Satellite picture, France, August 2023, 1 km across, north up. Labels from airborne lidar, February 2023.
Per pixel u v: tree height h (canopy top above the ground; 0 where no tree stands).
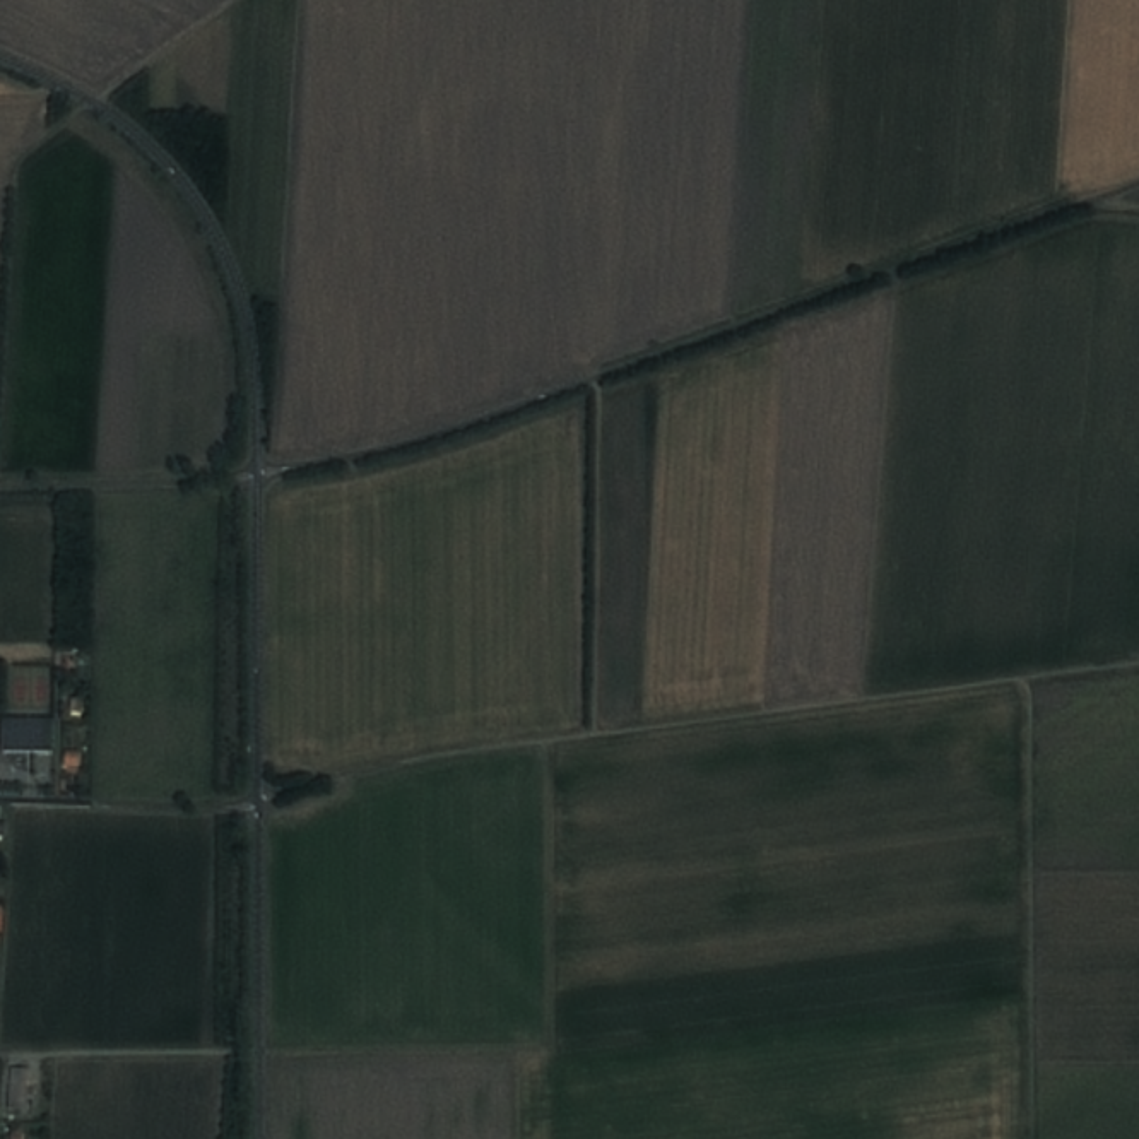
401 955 0
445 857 0
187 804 9
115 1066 0
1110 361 0
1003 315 0
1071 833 0
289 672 0
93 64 0
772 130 0
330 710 0
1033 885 0
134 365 0
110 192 0
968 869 0
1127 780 0
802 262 0
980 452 0
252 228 0
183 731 0
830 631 0
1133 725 0
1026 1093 0
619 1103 0
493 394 0
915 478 0
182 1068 0
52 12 0
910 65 0
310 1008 0
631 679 0
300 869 0
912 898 0
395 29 0
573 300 0
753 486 0
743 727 0
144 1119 0
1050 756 0
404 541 0
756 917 0
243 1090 20
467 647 0
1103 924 0
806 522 0
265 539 0
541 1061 0
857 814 0
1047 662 0
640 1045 0
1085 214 15
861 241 0
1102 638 0
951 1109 0
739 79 0
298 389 0
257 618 0
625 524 0
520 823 0
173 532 0
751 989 0
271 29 0
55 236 0
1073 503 0
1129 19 0
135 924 0
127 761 0
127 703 0
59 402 0
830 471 0
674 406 0
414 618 0
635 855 0
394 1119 0
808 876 0
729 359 0
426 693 0
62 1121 0
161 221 0
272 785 8
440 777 0
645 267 0
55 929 0
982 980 0
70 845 0
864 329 0
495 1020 0
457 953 0
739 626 0
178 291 0
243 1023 20
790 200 0
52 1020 0
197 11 0
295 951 0
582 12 0
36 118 0
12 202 9
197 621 0
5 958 0
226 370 0
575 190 0
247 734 7
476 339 0
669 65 0
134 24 0
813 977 0
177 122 13
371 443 0
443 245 0
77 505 12
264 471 0
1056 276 0
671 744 0
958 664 0
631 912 0
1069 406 0
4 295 6
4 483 0
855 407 0
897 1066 0
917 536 0
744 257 0
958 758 0
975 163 0
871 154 0
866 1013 0
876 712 0
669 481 0
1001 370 0
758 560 0
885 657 0
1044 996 0
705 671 0
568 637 0
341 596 0
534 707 0
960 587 0
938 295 0
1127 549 0
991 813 0
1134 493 0
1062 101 0
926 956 0
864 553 0
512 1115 0
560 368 0
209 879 0
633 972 0
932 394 0
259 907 0
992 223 0
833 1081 0
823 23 0
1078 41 0
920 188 0
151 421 0
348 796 0
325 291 0
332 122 0
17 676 0
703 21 0
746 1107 0
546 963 0
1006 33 0
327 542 0
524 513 0
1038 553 0
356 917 0
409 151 0
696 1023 0
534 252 0
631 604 0
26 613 0
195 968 0
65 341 0
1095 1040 0
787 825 0
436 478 0
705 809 0
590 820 0
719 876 0
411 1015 0
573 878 0
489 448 0
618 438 0
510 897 0
